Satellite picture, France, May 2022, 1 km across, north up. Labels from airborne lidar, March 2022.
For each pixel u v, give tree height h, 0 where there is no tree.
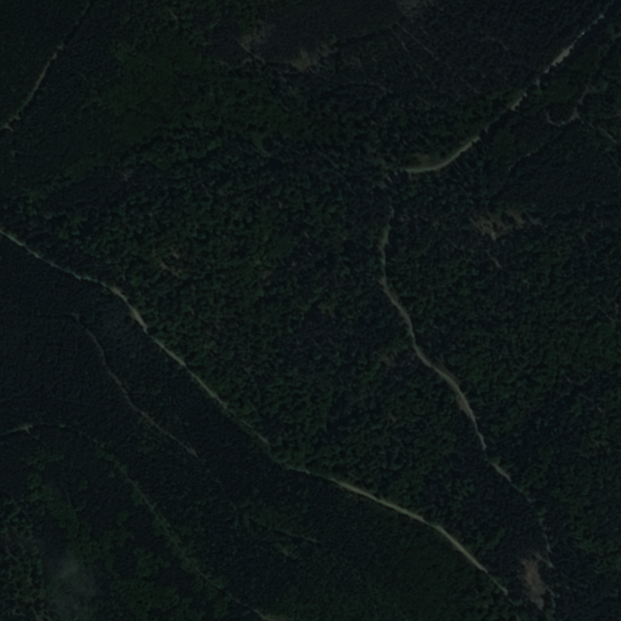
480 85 32
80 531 18
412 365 33
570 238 29
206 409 22
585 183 24
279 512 22
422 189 6
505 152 17
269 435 29
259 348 32
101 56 13
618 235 30
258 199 36
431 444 30
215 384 30
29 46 17
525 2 31
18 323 25
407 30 22
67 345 22
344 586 19
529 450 24
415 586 13
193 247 37
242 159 33
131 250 33
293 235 33
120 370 13
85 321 17
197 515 20
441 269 33
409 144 38
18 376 23
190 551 17
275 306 29
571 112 14
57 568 18
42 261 12
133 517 20
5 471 19
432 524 19
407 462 29
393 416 32
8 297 22
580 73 15
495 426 27
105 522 20
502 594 20
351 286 27
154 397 22
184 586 20
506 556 27
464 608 9
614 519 26
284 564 19
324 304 20
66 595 22
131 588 21
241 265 37
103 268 33
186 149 31
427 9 25
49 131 14
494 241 23
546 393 30
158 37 13
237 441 20
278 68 24
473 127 13
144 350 25
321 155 27
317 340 39
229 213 34
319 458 33
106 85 13
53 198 25
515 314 31
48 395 25
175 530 18
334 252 26
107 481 18
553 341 26
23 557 8
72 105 14
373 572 13
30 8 19
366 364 32
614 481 26
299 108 36
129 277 29
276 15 24
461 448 21
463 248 29
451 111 19
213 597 16
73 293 23
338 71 28
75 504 16
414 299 30
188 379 19
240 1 24
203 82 15
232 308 35
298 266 29
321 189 34
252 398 33
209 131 7
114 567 20
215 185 39
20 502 13
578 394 21
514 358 30
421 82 31
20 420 22
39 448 15
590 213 25
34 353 22
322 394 26
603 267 31
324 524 12
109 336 24
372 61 24
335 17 24
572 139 14
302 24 22
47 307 23
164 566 18
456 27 31
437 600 13
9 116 13
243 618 20
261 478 20
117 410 20
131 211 30
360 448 33
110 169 20
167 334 26
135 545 20
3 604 7
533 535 23
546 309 27
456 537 19
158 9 15
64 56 18
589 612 25
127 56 16
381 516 8
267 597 21
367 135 28
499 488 28
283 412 28
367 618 17
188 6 24
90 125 13
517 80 26
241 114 10
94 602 21
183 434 20
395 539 11
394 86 23
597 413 30
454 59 24
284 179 36
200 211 37
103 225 27
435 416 30
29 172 15
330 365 25
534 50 30
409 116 24
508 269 28
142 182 27
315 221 32
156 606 19
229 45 26
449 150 23
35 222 31
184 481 20
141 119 15
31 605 9
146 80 16
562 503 29
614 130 20
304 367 27
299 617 19
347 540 11
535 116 23
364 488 8
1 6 19
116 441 20
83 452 19
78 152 14
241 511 16
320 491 20
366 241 24
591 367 27
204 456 21
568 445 24
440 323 31
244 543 21
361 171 30
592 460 26
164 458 23
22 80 14
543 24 37
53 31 19
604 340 29
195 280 36
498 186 19
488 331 26
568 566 23
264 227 30
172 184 20
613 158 28
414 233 32
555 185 23
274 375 31
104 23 14
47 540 19
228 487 19
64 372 21
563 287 27
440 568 12
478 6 26
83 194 27
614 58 14
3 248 24
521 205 18
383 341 32
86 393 25
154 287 33
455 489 23
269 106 29
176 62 15
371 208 30
